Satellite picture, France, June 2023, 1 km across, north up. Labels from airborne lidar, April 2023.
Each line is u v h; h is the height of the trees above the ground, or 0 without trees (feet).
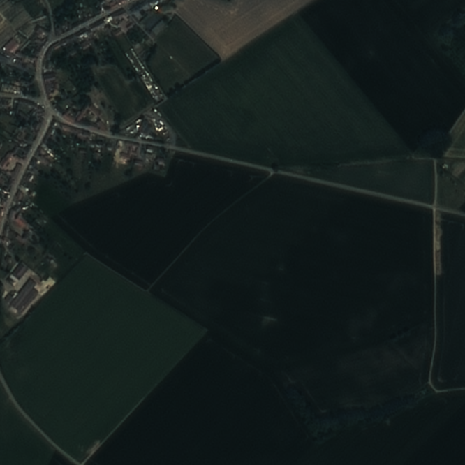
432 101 0
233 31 0
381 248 0
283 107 0
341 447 0
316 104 0
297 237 0
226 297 0
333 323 0
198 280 0
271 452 0
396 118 0
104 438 0
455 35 76
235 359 0
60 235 0
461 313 0
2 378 0
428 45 0
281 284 0
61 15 51
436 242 0
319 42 0
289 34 0
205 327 0
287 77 0
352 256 0
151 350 0
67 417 0
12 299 0
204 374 0
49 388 0
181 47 0
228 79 0
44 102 0
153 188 0
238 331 0
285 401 0
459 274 0
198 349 0
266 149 0
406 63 0
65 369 0
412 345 0
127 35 19
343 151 0
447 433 0
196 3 0
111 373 0
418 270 0
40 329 0
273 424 0
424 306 0
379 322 0
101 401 0
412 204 0
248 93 0
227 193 0
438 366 0
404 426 0
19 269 0
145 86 21
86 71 21
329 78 0
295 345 0
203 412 0
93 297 0
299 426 0
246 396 0
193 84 0
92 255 0
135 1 0
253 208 0
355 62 0
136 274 0
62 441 0
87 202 0
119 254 0
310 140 0
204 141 0
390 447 0
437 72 0
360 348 0
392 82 0
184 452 0
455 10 0
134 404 0
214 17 0
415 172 0
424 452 0
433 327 0
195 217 0
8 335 18
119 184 0
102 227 0
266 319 0
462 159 0
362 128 0
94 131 0
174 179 0
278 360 0
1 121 0
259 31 0
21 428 0
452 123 0
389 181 0
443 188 0
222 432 0
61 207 0
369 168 0
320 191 0
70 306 0
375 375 0
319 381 0
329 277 0
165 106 0
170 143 0
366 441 0
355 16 0
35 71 0
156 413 0
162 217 0
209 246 0
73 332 0
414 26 0
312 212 0
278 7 0
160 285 0
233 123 0
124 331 0
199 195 0
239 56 0
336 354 0
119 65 29
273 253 0
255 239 0
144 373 0
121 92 0
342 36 0
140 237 0
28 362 0
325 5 0
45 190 0
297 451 0
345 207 0
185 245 0
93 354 0
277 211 0
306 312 0
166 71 0
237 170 0
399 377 0
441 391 0
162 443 0
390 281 0
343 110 0
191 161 0
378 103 0
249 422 0
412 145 0
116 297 0
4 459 0
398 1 0
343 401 0
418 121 0
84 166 0
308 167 0
